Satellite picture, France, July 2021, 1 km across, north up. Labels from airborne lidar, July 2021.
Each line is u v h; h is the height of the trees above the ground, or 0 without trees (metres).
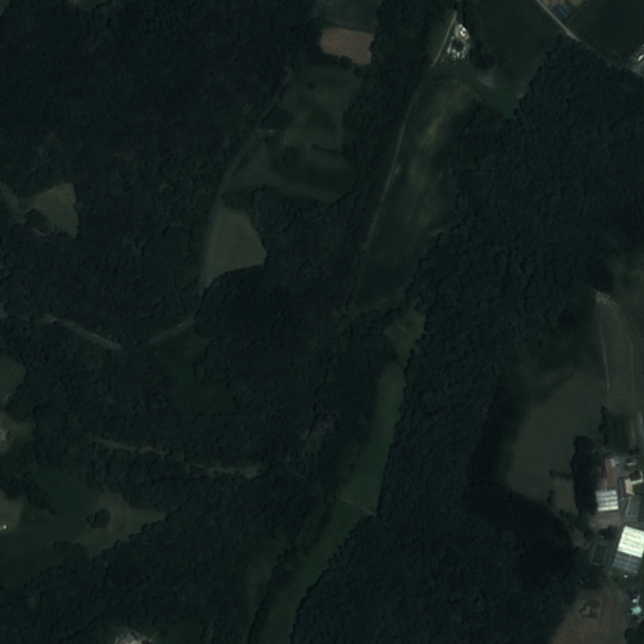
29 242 11
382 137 8
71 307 20
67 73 16
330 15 0
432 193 0
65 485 0
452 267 15
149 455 9
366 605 26
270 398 21
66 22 26
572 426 0
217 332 12
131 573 34
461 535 28
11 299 24
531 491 0
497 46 0
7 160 24
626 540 0
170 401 18
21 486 15
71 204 0
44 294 19
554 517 13
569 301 18
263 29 19
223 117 23
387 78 11
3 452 0
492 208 16
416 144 0
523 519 27
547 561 15
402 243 0
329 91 0
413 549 34
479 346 28
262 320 27
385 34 17
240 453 25
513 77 0
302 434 17
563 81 22
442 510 24
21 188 13
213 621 14
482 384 27
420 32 9
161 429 24
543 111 22
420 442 24
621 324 0
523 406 0
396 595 26
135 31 26
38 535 0
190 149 25
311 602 26
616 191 20
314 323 19
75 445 28
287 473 25
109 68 15
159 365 23
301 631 23
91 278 23
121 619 15
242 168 8
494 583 30
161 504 21
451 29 0
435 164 0
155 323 21
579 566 22
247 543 26
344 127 8
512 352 21
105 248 24
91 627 19
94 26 27
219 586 28
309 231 20
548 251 18
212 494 20
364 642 24
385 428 0
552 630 24
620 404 0
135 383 21
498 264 19
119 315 18
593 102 18
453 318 21
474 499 22
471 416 23
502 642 20
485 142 11
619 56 0
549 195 16
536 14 0
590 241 18
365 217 25
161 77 26
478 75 0
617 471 0
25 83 24
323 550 0
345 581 24
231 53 19
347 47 0
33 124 24
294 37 13
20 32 21
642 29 0
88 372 12
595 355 0
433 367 13
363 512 0
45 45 24
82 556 24
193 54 25
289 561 17
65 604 29
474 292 26
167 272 25
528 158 21
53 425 21
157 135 23
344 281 17
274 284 30
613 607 0
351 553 18
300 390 19
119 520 0
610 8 0
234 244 0
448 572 36
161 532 24
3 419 0
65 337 28
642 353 0
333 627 26
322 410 25
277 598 12
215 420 19
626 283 0
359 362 26
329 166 0
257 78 20
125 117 24
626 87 25
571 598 10
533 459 0
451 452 26
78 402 16
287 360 19
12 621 22
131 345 18
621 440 0
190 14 25
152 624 8
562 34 0
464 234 24
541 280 17
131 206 24
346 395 25
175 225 22
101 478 19
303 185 0
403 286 0
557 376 0
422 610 25
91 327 8
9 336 19
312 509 25
